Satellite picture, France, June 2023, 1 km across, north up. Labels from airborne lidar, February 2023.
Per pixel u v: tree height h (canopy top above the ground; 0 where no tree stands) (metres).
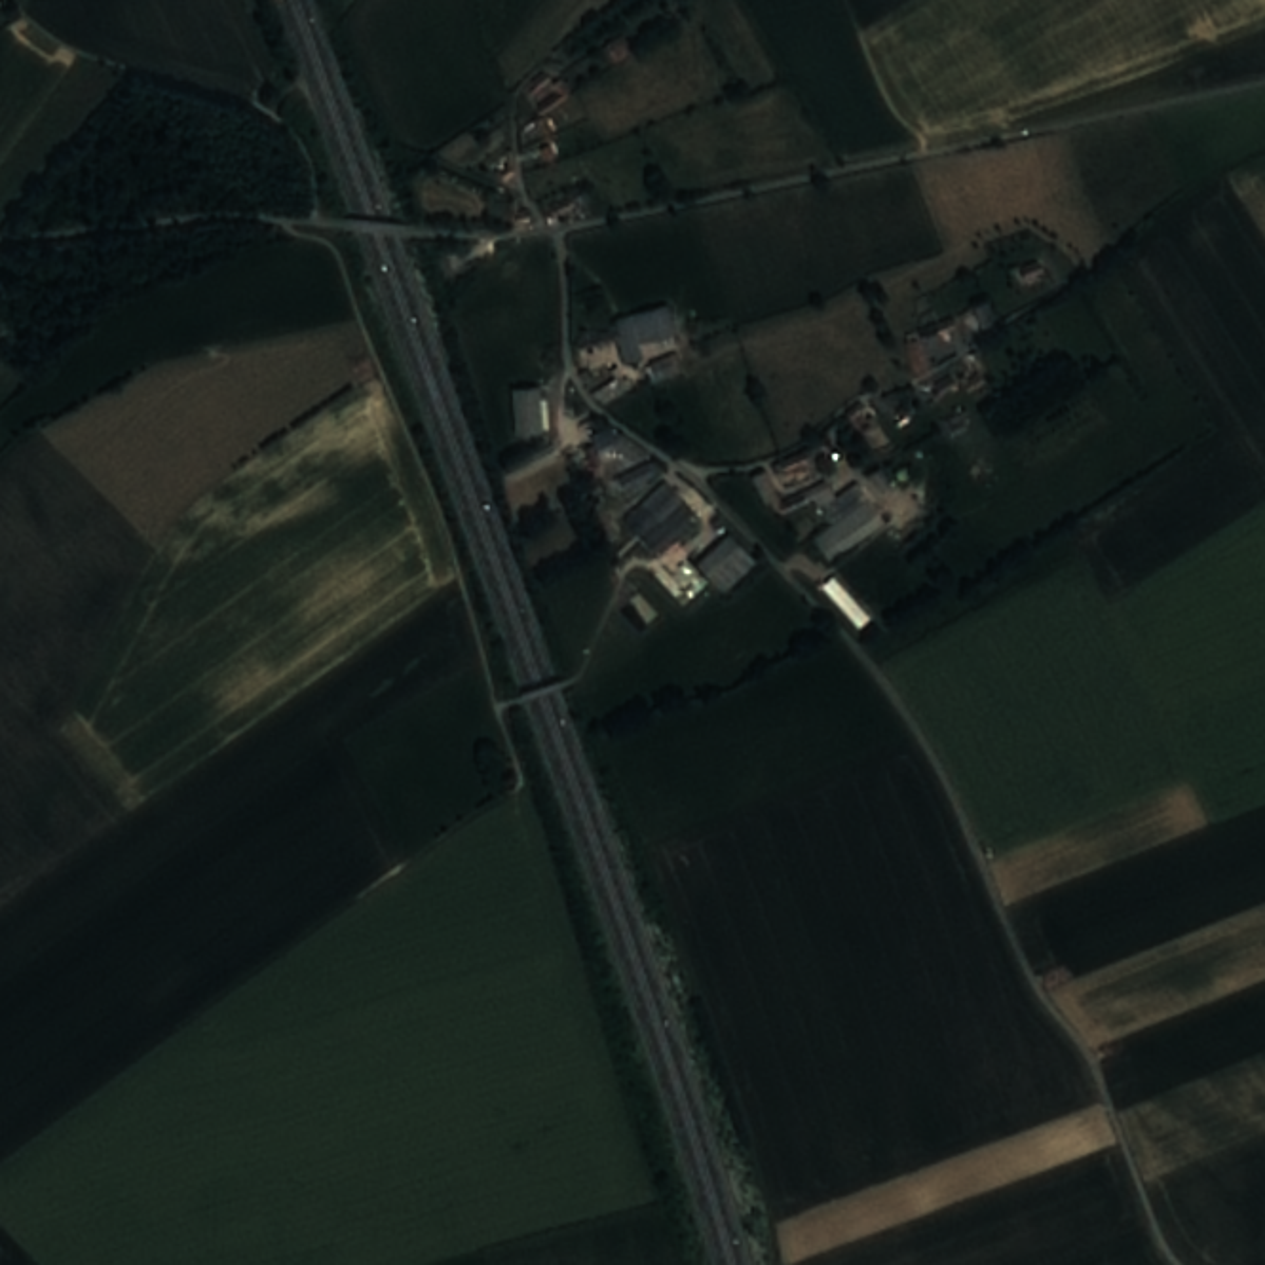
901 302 0
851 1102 0
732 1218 0
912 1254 0
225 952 0
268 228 10
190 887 0
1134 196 0
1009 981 0
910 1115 0
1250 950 0
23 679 0
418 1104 0
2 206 0
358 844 0
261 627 0
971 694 0
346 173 0
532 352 0
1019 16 0
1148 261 0
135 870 0
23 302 8
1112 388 0
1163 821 0
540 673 0
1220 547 0
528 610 0
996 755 0
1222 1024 0
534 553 0
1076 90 0
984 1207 0
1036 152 0
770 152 0
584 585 0
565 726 0
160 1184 0
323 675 0
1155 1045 0
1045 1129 0
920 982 0
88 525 0
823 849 0
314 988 0
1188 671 0
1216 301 0
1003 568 12
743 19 0
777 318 0
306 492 0
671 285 0
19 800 0
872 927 0
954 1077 0
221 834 0
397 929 0
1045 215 0
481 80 0
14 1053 0
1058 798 0
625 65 0
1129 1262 0
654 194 15
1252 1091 0
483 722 0
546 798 11
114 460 0
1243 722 0
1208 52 0
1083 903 0
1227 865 0
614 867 0
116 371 0
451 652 0
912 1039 0
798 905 0
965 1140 0
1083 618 0
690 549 0
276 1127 0
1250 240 0
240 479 0
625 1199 0
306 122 0
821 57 0
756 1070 0
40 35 0
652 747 0
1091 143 0
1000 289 0
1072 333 0
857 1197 0
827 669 0
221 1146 0
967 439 0
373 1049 0
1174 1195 0
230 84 0
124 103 16
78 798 0
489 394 0
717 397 0
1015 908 0
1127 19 0
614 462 0
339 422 0
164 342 0
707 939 0
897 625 11
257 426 0
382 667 0
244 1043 0
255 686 0
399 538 0
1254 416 0
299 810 0
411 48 0
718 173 0
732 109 0
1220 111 0
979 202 0
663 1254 0
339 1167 0
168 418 0
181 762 0
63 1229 0
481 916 0
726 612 0
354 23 0
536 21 0
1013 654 0
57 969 0
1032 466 0
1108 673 0
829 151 0
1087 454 0
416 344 0
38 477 0
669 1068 0
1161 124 0
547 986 0
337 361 0
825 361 0
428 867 0
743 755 0
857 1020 0
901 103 0
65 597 0
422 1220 0
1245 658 0
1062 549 0
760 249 0
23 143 0
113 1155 0
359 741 0
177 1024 0
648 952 0
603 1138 0
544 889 0
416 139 0
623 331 0
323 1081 0
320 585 0
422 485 0
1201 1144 0
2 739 0
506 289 0
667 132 0
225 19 0
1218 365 0
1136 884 0
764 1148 0
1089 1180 0
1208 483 0
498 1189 0
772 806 0
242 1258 0
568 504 20
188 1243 0
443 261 0
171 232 6
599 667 0
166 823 0
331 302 0
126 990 0
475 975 0
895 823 0
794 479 0
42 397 0
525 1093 0
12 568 0
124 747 0
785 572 0
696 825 0
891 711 0
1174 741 0
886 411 0
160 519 0
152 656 0
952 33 0
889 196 0
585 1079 0
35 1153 0
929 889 0
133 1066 0
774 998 0
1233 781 0
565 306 0
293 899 0
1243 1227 0
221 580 0
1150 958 0
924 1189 0
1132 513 0
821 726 0
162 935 0
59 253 18
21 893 0
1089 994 0
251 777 0
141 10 0
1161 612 0
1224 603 0
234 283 0
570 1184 0
